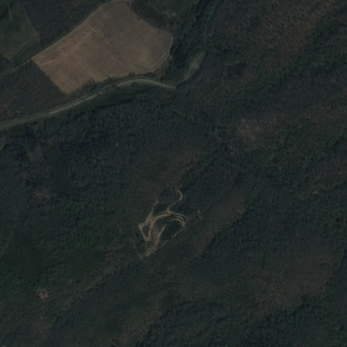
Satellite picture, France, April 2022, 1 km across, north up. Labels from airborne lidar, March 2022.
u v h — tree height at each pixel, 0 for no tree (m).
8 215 19
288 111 21
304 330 23
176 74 21
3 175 17
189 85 17
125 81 0
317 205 23
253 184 17
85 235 20
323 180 9
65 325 13
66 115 0
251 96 25
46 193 0
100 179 8
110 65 0
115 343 14
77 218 9
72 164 22
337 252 14
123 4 0
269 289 17
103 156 26
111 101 0
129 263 17
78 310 20
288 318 25
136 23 0
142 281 18
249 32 21
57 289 22
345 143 31
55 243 18
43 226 11
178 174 15
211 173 22
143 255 15
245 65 16
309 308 15
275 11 23
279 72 10
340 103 19
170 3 20
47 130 22
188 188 8
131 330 18
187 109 18
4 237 19
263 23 24
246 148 19
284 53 10
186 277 17
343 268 19
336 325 11
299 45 10
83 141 10
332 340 15
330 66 30
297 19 22
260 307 17
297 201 21
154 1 22
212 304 7
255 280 19
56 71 0
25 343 17
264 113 20
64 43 0
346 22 15
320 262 19
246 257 19
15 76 13
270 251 22
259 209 25
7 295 18
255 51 17
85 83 0
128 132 22
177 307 21
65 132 6
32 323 19
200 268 22
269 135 22
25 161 24
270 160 22
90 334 20
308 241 21
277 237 22
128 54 0
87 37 0
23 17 0
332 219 26
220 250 24
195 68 0
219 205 18
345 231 19
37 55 0
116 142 26
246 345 13
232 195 19
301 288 27
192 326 19
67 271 18
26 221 16
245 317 19
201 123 9
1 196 19
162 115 23
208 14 17
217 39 13
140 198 16
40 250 9
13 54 0
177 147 16
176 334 23
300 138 22
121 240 15
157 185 16
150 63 0
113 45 0
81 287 16
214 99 15
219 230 21
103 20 0
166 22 0
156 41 0
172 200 22
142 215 13
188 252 20
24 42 0
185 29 19
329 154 23
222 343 8
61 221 9
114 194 22
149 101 15
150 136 23
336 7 26
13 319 12
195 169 23
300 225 19
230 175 18
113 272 14
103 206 17
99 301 16
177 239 13
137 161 22
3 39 0
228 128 18
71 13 18
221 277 15
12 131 0
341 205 26
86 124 21
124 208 20
